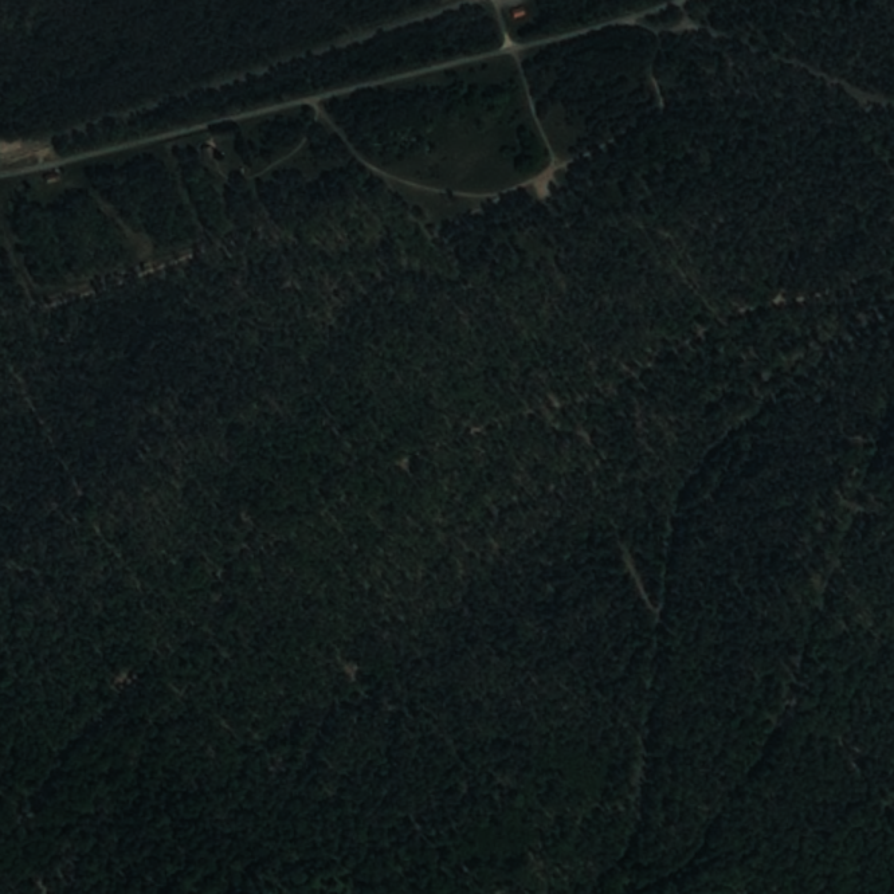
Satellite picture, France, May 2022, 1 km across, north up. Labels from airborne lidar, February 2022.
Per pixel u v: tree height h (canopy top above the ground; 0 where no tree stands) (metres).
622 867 33
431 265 23
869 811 28
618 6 15
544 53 10
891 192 22
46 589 24
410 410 24
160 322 10
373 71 17
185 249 0
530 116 0
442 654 24
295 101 0
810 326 18
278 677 29
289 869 28
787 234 18
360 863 28
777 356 18
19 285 24
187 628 24
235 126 15
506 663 19
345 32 10
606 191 27
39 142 0
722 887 22
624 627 26
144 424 7
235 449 26
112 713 23
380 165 0
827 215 18
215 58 20
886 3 25
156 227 28
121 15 26
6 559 23
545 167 0
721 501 28
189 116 16
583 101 15
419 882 22
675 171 23
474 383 21
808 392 30
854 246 22
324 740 25
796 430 25
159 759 28
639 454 22
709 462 13
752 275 21
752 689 23
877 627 26
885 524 27
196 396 24
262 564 25
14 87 27
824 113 23
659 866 28
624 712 27
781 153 29
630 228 23
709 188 27
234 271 23
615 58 20
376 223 18
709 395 22
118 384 13
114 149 0
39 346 9
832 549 20
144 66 23
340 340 26
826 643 26
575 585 26
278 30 23
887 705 22
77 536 20
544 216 21
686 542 26
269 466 24
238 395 25
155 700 12
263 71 0
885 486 22
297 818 26
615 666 23
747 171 30
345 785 24
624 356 19
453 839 21
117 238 24
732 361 22
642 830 29
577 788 12
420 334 26
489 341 24
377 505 0
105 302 24
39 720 24
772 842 29
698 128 26
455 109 11
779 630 22
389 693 8
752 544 25
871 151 22
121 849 24
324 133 14
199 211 24
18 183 0
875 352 24
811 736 30
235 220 22
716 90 26
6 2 25
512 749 26
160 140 0
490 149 0
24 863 22
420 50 12
